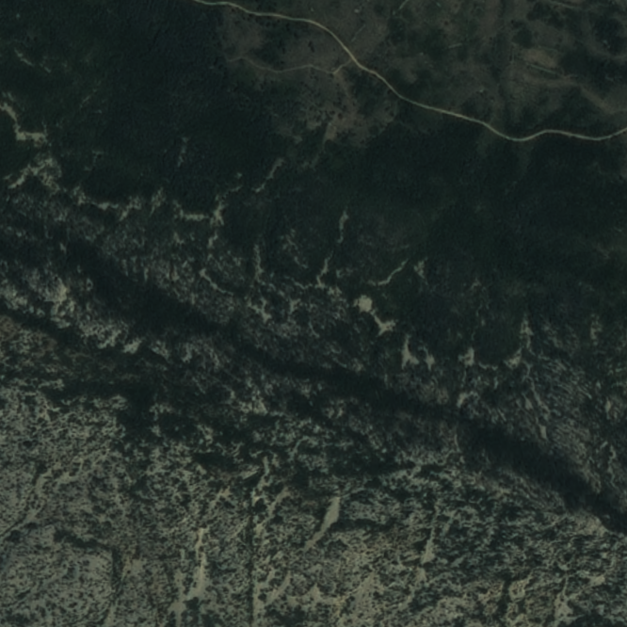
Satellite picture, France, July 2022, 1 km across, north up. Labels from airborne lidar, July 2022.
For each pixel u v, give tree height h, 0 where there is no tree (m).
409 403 6
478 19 0
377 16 0
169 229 8
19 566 0
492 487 0
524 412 7
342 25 0
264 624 0
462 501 6
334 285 7
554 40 0
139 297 8
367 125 0
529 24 0
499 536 5
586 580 5
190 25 8
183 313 6
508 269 7
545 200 6
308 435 6
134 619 0
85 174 7
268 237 7
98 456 0
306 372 6
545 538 9
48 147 10
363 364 6
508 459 7
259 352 6
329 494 8
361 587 0
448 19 0
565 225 6
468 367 6
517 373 6
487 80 0
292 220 6
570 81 0
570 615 6
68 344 6
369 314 7
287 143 6
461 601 0
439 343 6
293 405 6
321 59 0
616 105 0
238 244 7
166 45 10
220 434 8
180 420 6
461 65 0
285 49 7
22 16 7
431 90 0
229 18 0
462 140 8
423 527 7
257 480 9
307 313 8
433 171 8
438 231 8
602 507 8
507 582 8
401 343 7
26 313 6
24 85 7
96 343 6
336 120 0
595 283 8
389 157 9
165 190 7
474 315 7
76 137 6
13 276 9
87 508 0
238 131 9
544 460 7
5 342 5
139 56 7
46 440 0
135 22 10
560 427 0
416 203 7
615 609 0
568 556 7
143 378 6
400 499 7
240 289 8
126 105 9
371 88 7
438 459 0
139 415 7
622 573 6
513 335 7
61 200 6
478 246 5
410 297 6
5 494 0
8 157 6
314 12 0
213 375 6
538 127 6
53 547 0
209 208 7
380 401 8
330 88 0
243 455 6
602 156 7
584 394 0
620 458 6
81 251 7
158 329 8
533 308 8
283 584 0
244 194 6
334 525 9
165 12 6
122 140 7
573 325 6
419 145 7
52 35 7
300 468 6
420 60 0
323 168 7
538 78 0
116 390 6
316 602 0
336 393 7
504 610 6
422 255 10
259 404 0
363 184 9
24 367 6
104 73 7
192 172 7
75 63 6
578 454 0
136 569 0
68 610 0
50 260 6
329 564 0
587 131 7
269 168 7
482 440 7
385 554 7
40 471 6
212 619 0
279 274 6
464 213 7
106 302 7
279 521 7
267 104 9
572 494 6
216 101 8
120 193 8
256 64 0
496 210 8
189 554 7
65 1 5
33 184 10
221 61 9
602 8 0
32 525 7
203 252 5
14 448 0
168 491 0
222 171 9
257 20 7
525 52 0
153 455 0
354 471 6
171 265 10
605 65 10
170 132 6
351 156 8
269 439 7
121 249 7
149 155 6
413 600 6
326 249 6
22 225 9
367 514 0
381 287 6
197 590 0
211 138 6
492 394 8
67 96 8
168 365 5
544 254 6
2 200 6
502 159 7
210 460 5
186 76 5
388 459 6
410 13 0
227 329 10
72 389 7
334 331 7
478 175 10
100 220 6
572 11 0
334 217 6
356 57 0
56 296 0
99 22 6
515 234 7
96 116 7
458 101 0
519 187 7
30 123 9
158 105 6
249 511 7
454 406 10
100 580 0
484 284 7
